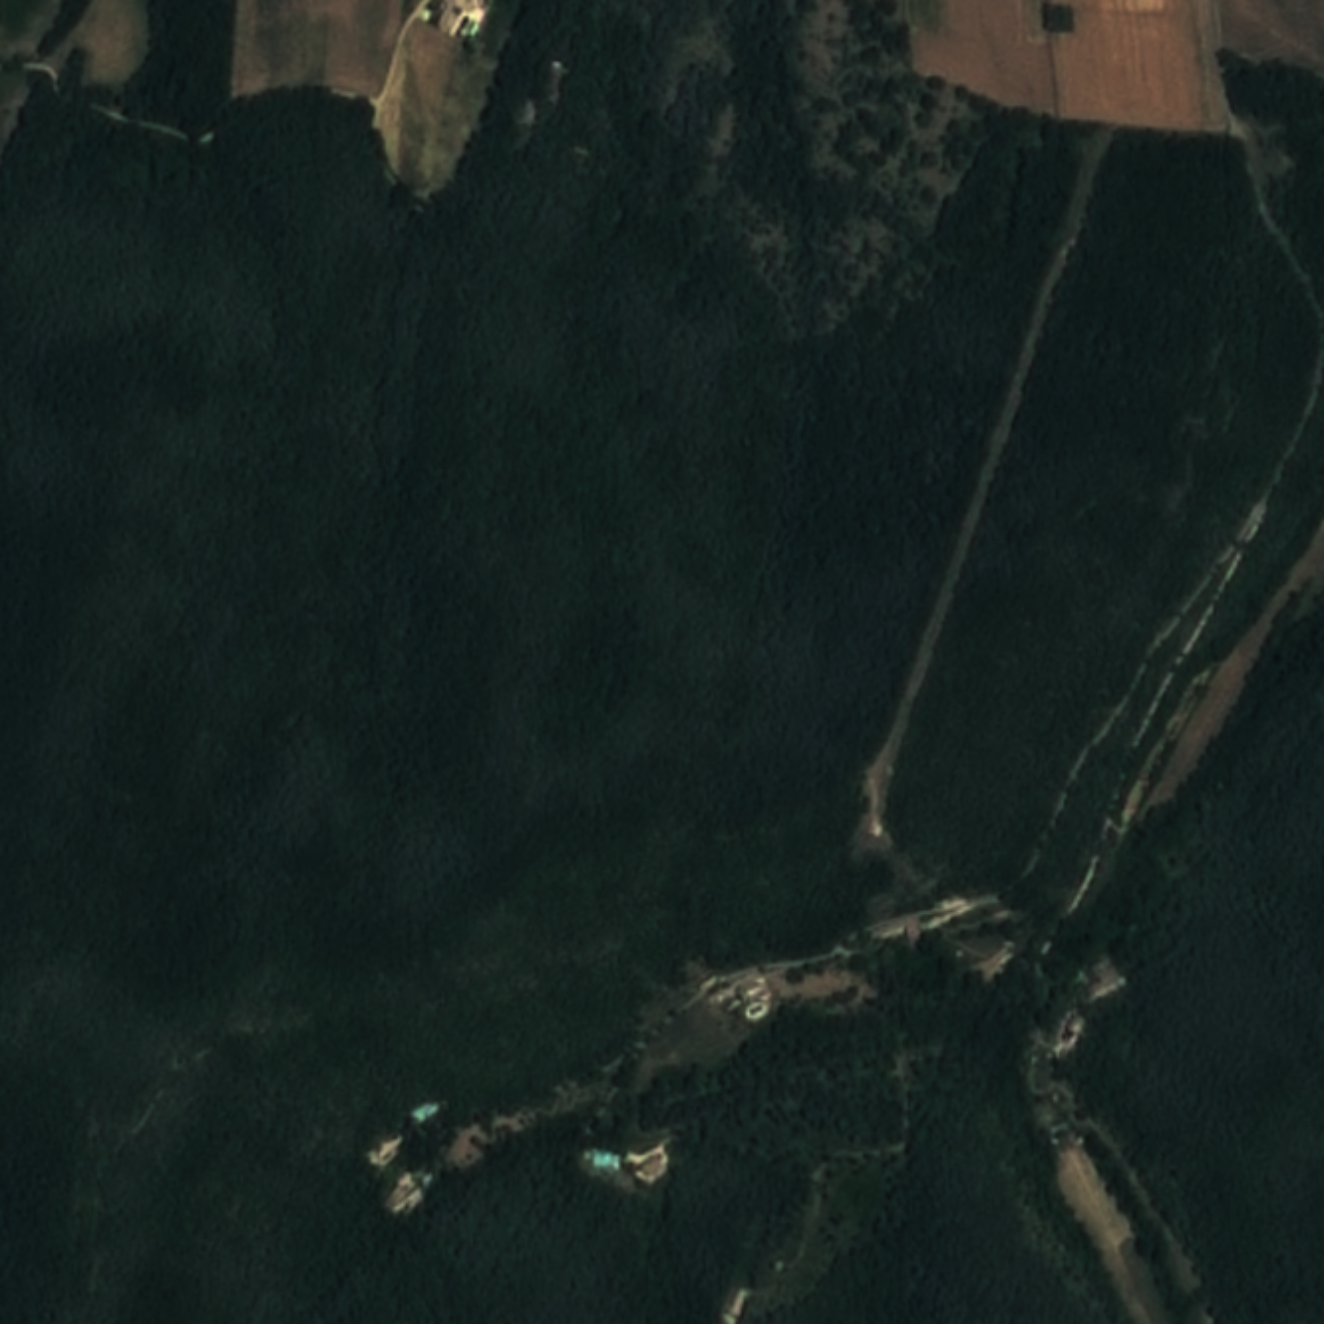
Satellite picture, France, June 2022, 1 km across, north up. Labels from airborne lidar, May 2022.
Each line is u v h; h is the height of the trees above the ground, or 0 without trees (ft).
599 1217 23
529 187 30
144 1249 20
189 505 27
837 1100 41
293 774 22
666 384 32
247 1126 26
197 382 38
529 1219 24
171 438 22
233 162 43
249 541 28
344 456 23
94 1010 22
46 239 20
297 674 22
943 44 0
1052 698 23
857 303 19
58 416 35
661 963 23
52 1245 26
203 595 42
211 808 27
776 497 39
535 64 36
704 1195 19
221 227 40
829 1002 31
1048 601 19
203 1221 21
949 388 32
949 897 24
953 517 34
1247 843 23
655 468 27
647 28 23
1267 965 23
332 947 34
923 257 20
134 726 42
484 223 31
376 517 34
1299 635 52
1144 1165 40
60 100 36
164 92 61
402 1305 23
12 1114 26
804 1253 0
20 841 23
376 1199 51
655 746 22
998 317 24
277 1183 22
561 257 33
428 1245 39
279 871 25
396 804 24
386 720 43
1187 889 20
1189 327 26
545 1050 25
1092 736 23
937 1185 25
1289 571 37
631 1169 32
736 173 30
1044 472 28
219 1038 26
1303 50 0
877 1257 44
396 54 0
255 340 21
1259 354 19
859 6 36
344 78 0
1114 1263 0
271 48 0
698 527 24
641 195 33
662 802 20
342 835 25
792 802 20
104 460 27
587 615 38
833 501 34
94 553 25
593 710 44
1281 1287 25
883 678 23
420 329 19
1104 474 23
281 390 31
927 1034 19
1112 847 18
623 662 51
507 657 19
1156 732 32
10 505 38
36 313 25
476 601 25
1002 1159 19
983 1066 26
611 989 19
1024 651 20
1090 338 39
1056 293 26
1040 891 35
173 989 33
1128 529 22
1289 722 23
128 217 48
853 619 22
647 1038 24
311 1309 21
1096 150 0
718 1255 20
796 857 23
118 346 33
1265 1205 23
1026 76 0
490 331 21
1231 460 23
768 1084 45
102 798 36
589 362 24
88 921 20
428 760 31
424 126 0
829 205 39
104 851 26
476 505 20
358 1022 28
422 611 43
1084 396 37
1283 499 26
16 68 23
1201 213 25
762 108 47
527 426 29
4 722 25
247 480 46
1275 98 39
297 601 27
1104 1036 20
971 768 22
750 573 32
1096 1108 28
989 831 26
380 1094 30
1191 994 22
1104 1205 0
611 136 28
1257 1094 22
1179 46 0
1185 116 0
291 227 35
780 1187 25
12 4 0
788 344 35
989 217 50
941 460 30
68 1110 20
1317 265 18
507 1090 24
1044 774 20
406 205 55
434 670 37
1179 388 18
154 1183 19
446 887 25
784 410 29
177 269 32
